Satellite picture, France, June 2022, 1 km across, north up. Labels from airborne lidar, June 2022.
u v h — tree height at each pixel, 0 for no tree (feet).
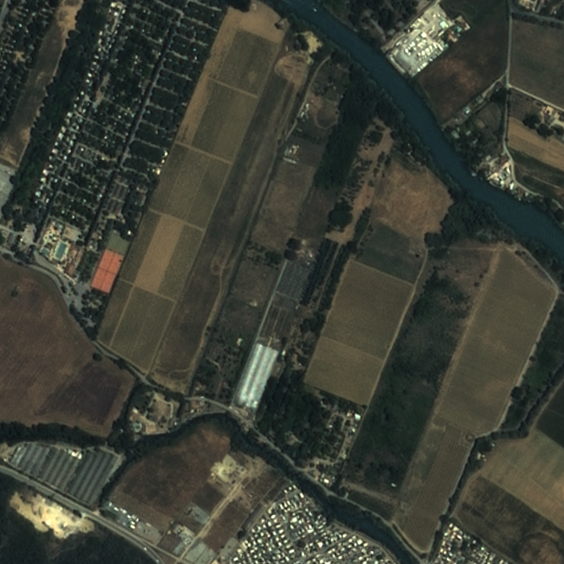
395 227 0
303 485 37
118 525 0
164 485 0
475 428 0
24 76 36
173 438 21
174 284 0
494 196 0
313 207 0
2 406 0
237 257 0
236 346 19
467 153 23
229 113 0
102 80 49
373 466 48
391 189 0
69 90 37
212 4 38
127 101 41
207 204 0
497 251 0
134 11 41
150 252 0
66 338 0
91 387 0
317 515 29
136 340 0
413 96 0
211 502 0
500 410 0
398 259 0
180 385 0
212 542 0
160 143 37
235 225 0
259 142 0
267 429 24
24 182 34
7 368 0
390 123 31
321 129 0
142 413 42
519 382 0
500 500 0
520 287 0
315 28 26
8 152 0
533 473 0
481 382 0
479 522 0
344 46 0
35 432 24
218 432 0
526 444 0
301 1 0
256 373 0
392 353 0
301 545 43
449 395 0
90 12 37
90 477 0
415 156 39
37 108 0
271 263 18
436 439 0
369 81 22
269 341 0
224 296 0
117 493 0
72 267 0
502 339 0
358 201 0
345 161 24
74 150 47
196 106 0
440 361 18
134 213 48
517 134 0
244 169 0
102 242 41
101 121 30
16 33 28
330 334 0
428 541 0
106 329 0
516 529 0
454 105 0
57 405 0
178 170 0
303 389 19
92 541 25
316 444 34
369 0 55
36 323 0
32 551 20
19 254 45
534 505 0
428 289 20
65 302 0
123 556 22
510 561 0
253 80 0
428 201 0
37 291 0
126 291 0
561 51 0
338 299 0
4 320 0
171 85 46
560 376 49
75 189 27
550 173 0
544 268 0
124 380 0
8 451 0
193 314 0
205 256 0
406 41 0
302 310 0
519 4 27
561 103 0
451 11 0
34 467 0
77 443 19
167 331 0
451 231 61
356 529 36
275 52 0
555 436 0
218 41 0
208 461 0
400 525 0
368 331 0
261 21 0
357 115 53
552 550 0
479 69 0
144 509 0
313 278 30
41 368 0
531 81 0
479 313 0
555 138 0
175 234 0
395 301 0
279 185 0
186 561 0
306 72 0
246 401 0
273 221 0
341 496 22
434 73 0
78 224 25
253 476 0
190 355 0
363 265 0
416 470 0
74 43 45
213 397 32
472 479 0
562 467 0
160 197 0
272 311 0
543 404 51
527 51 0
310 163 0
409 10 50
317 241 0
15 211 26
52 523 0
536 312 0
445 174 27
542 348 35
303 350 22
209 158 0
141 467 0
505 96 27
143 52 28
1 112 45
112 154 29
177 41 42
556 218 20
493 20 0
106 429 0
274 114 0
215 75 0
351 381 0
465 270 0
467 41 0
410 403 0
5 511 52
